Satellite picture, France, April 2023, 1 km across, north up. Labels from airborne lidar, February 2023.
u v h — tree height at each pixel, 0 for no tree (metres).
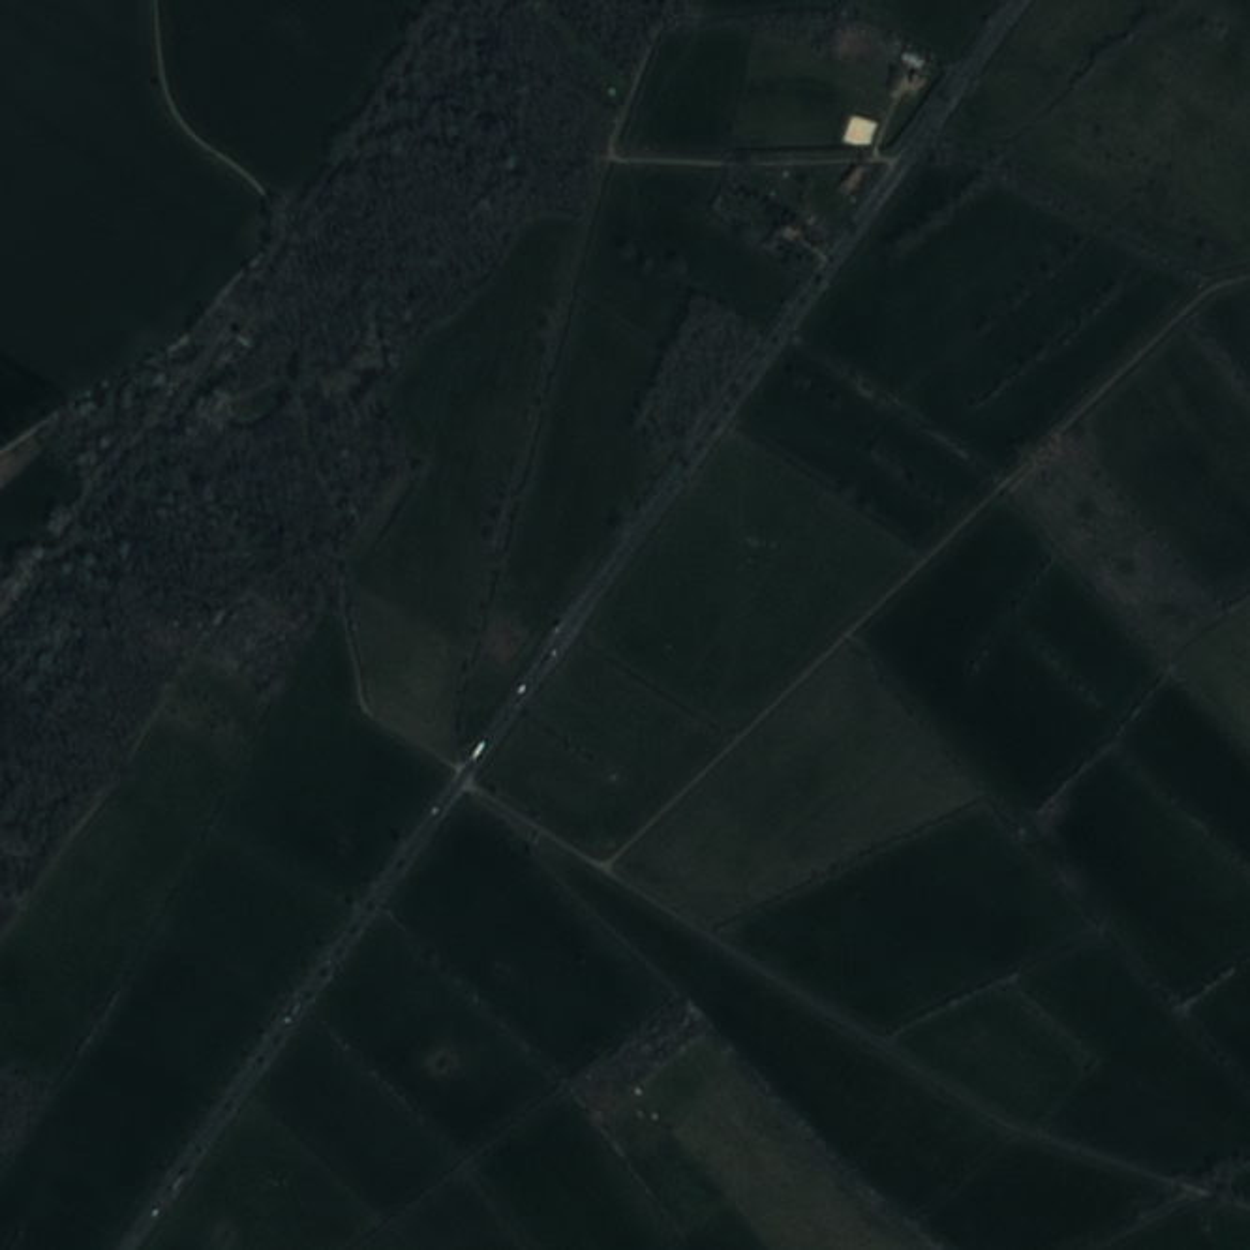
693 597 0
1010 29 0
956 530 0
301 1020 0
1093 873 0
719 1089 0
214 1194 0
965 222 0
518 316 0
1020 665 0
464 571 0
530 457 0
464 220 15
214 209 0
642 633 0
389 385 11
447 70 14
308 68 0
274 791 0
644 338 0
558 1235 0
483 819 0
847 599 0
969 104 0
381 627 0
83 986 0
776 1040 0
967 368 0
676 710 0
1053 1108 0
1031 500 0
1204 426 0
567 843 0
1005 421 0
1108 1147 0
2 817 15
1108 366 0
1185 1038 0
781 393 0
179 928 0
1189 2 0
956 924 0
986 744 0
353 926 0
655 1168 0
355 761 0
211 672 0
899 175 0
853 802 0
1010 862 0
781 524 0
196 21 0
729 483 0
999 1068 0
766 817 0
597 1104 0
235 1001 0
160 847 0
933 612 0
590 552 0
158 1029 0
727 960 0
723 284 0
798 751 0
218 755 0
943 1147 0
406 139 20
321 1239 0
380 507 10
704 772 0
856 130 0
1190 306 0
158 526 17
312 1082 0
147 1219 0
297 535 18
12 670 13
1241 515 0
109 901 0
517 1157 0
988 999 0
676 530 0
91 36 0
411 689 0
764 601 0
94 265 0
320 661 0
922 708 0
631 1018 0
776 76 0
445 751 0
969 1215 0
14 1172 0
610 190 0
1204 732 0
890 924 0
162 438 10
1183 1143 0
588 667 0
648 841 0
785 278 0
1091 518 0
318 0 0
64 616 11
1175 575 0
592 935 0
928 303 0
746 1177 0
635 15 12
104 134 0
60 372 0
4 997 0
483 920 0
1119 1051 0
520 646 0
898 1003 0
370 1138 0
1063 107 0
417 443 0
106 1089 0
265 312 19
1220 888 0
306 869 0
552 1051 0
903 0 0
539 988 0
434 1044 0
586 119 14
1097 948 0
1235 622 0
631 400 0
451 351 0
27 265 0
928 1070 0
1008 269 0
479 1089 0
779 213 6
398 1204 0
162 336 0
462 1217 0
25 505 0
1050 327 0
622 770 0
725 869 0
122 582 16
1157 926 0
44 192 0
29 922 0
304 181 0
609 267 0
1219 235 0
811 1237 0
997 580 0
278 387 0
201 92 0
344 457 15
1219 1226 0
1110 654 0
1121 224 0
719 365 16
